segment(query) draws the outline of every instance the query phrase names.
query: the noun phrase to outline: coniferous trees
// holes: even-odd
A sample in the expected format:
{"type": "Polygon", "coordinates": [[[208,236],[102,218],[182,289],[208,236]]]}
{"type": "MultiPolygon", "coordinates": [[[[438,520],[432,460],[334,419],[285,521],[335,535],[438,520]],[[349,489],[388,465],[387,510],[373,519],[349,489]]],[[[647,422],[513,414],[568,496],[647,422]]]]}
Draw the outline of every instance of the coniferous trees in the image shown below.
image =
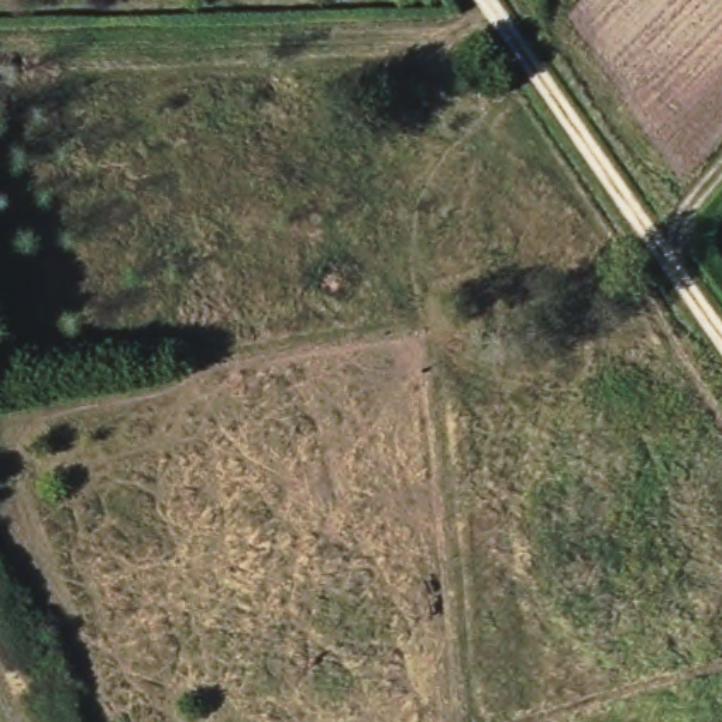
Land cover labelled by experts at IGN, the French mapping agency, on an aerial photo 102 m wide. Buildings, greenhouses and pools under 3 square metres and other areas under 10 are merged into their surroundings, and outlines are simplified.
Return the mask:
{"type": "Polygon", "coordinates": [[[502,338],[502,344],[516,341],[525,355],[533,355],[575,350],[589,338],[612,336],[615,324],[637,313],[646,313],[654,299],[646,288],[643,274],[643,237],[635,231],[629,237],[601,245],[598,257],[592,257],[589,262],[581,259],[581,265],[573,271],[550,265],[510,265],[468,279],[457,288],[457,316],[465,322],[479,319],[482,338],[502,338]]]}
{"type": "Polygon", "coordinates": [[[25,155],[23,149],[11,149],[11,169],[34,175],[37,164],[42,161],[37,155],[25,155]]]}

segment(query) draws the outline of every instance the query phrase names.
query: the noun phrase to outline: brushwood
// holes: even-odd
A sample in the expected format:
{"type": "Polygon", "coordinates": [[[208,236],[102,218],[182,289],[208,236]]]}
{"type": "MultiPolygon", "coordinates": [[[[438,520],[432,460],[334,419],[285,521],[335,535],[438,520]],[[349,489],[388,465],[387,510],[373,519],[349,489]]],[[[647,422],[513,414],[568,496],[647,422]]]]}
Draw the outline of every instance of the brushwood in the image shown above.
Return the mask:
{"type": "Polygon", "coordinates": [[[23,691],[23,699],[31,722],[79,722],[76,694],[82,683],[71,677],[48,618],[31,606],[31,595],[23,584],[8,578],[0,556],[0,660],[8,671],[25,677],[28,688],[23,691]]]}
{"type": "Polygon", "coordinates": [[[699,209],[699,220],[694,223],[688,243],[680,251],[688,276],[722,316],[722,189],[705,203],[705,209],[699,209]]]}
{"type": "Polygon", "coordinates": [[[181,697],[181,711],[186,716],[203,719],[223,705],[220,688],[195,688],[181,697]]]}
{"type": "Polygon", "coordinates": [[[155,62],[181,62],[203,56],[228,56],[226,45],[234,39],[234,31],[285,31],[324,23],[358,23],[361,17],[375,20],[378,14],[389,17],[392,25],[443,25],[451,14],[460,14],[454,0],[409,0],[392,3],[392,11],[0,20],[0,39],[8,34],[28,34],[39,39],[42,51],[54,51],[56,45],[76,42],[79,37],[90,34],[96,45],[87,51],[87,59],[118,59],[127,54],[155,62]]]}
{"type": "Polygon", "coordinates": [[[499,0],[510,20],[533,20],[536,11],[544,6],[544,0],[499,0]]]}
{"type": "Polygon", "coordinates": [[[164,341],[158,355],[147,367],[133,367],[127,361],[127,353],[118,350],[113,341],[96,344],[87,358],[68,355],[62,364],[51,364],[48,358],[42,358],[37,364],[25,364],[17,355],[20,347],[6,333],[6,324],[0,319],[0,415],[45,409],[54,403],[102,395],[155,389],[195,372],[186,361],[172,361],[175,341],[164,341]]]}
{"type": "Polygon", "coordinates": [[[37,494],[45,502],[62,494],[59,477],[51,471],[37,479],[37,494]]]}

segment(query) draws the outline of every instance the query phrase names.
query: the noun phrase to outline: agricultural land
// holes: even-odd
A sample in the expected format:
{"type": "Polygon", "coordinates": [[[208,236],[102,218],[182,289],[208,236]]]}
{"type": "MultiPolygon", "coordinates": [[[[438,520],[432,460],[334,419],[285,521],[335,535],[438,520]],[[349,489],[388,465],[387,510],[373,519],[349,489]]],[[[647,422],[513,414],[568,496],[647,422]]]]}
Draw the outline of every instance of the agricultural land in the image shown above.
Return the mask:
{"type": "Polygon", "coordinates": [[[598,56],[609,62],[609,71],[618,79],[626,107],[640,121],[643,133],[651,138],[663,161],[671,166],[674,178],[699,164],[722,138],[722,0],[544,0],[544,6],[544,11],[556,17],[558,45],[567,37],[578,34],[592,39],[598,56]]]}
{"type": "Polygon", "coordinates": [[[23,691],[28,688],[25,677],[8,671],[0,660],[0,722],[31,722],[23,699],[23,691]]]}

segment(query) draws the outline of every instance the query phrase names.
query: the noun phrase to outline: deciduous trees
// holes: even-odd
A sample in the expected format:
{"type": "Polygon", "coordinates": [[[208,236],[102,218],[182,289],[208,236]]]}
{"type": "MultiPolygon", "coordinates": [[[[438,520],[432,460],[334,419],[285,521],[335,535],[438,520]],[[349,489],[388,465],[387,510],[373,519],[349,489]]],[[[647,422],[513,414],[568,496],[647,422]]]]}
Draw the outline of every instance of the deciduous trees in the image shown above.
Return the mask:
{"type": "Polygon", "coordinates": [[[485,28],[465,37],[457,48],[448,51],[457,96],[510,93],[505,73],[505,51],[491,39],[485,28]]]}
{"type": "Polygon", "coordinates": [[[398,99],[389,82],[389,65],[384,59],[369,59],[364,62],[355,79],[344,79],[341,93],[333,99],[333,110],[324,121],[324,130],[338,133],[347,144],[381,147],[398,113],[398,99]]]}
{"type": "Polygon", "coordinates": [[[23,149],[25,155],[37,155],[42,161],[54,149],[48,144],[39,144],[37,138],[25,138],[23,133],[34,110],[28,99],[20,93],[0,113],[0,175],[11,169],[11,149],[23,149]]]}

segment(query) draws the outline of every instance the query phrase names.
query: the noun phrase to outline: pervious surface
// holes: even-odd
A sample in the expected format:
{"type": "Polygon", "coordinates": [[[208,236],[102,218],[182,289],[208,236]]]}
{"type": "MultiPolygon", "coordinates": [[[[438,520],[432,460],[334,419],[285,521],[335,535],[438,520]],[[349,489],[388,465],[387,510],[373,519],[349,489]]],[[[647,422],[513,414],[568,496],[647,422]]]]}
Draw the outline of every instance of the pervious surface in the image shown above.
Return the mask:
{"type": "Polygon", "coordinates": [[[683,668],[657,668],[651,674],[626,671],[620,677],[620,685],[612,688],[606,680],[609,668],[592,663],[581,671],[587,694],[564,691],[564,699],[539,699],[527,708],[510,711],[513,719],[533,716],[533,722],[589,722],[589,716],[609,714],[609,702],[632,699],[660,688],[671,691],[680,683],[688,683],[683,668]]]}
{"type": "Polygon", "coordinates": [[[620,172],[612,166],[606,152],[598,147],[575,107],[570,104],[570,99],[556,85],[556,79],[550,73],[542,73],[556,56],[556,45],[539,39],[539,28],[533,20],[510,20],[499,0],[474,0],[491,23],[485,28],[491,39],[505,51],[505,73],[510,93],[533,79],[533,87],[539,90],[556,121],[564,127],[575,149],[584,155],[584,161],[589,164],[589,169],[604,183],[604,189],[609,192],[609,197],[635,231],[643,237],[643,274],[646,288],[654,299],[663,302],[674,290],[680,290],[680,299],[688,305],[688,310],[722,355],[722,316],[688,276],[680,251],[688,243],[694,223],[699,220],[699,209],[705,209],[705,203],[722,189],[722,155],[683,197],[685,212],[668,214],[663,223],[651,226],[649,214],[620,178],[620,172]]]}
{"type": "Polygon", "coordinates": [[[463,671],[457,660],[454,629],[454,584],[443,530],[446,513],[440,494],[440,457],[432,417],[432,381],[423,372],[426,333],[409,330],[406,336],[386,338],[369,333],[361,341],[293,347],[288,330],[268,330],[257,333],[259,350],[254,355],[231,355],[220,364],[195,372],[155,389],[102,395],[54,403],[45,409],[0,415],[0,556],[8,578],[23,584],[31,595],[31,606],[48,618],[71,677],[82,683],[76,694],[79,722],[465,722],[463,671]],[[45,502],[37,494],[37,479],[51,471],[59,477],[62,494],[45,502]],[[186,716],[181,711],[181,697],[195,688],[220,688],[223,705],[203,719],[186,716]]]}

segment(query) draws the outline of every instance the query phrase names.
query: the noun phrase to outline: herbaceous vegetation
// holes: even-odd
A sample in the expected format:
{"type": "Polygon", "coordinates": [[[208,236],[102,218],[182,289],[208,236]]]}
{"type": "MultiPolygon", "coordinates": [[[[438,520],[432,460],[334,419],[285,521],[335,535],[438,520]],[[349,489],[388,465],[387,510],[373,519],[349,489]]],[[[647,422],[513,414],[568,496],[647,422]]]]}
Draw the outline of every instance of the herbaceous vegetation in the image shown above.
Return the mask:
{"type": "Polygon", "coordinates": [[[23,133],[25,138],[37,138],[39,144],[48,144],[54,149],[42,161],[37,164],[34,175],[11,169],[0,175],[0,319],[6,324],[6,333],[20,347],[17,355],[25,364],[37,364],[42,358],[48,358],[51,364],[62,364],[68,355],[87,358],[96,344],[113,341],[118,350],[127,353],[127,361],[133,367],[147,367],[158,355],[164,341],[175,341],[172,361],[186,361],[195,372],[220,364],[231,355],[254,355],[259,350],[257,333],[268,330],[288,330],[293,347],[361,341],[369,333],[386,338],[406,336],[409,330],[426,333],[423,372],[432,381],[432,417],[440,457],[440,494],[446,513],[443,530],[454,584],[454,629],[457,660],[463,671],[465,722],[533,722],[533,716],[513,719],[510,711],[527,708],[539,699],[564,699],[564,691],[587,694],[581,671],[592,663],[609,668],[606,680],[612,688],[620,685],[620,677],[626,671],[651,674],[657,668],[683,668],[688,683],[680,683],[671,691],[660,688],[632,699],[609,702],[609,714],[589,716],[589,722],[722,722],[722,355],[688,310],[688,305],[680,299],[680,290],[674,290],[663,302],[654,299],[646,313],[637,313],[615,324],[612,336],[589,338],[575,350],[533,355],[525,355],[516,341],[502,344],[502,338],[482,338],[479,319],[465,322],[457,316],[457,288],[468,279],[510,265],[550,265],[573,271],[581,265],[581,259],[589,262],[592,257],[598,257],[601,245],[629,237],[635,231],[609,197],[609,192],[604,189],[604,183],[589,169],[589,164],[584,161],[584,155],[575,149],[564,127],[556,121],[539,90],[533,87],[533,79],[510,93],[457,96],[448,51],[457,48],[465,37],[485,28],[491,23],[474,0],[454,0],[460,14],[451,14],[443,25],[392,25],[389,17],[378,14],[375,20],[361,17],[358,23],[324,23],[285,31],[234,31],[234,39],[226,45],[228,56],[203,56],[181,62],[155,62],[127,54],[118,59],[87,59],[87,51],[96,45],[90,34],[79,37],[76,42],[56,45],[54,51],[42,51],[39,39],[28,34],[8,34],[0,39],[0,113],[20,93],[28,99],[34,110],[23,133]],[[324,121],[333,110],[333,99],[341,93],[344,79],[355,79],[364,62],[369,59],[384,59],[389,65],[389,82],[398,99],[398,113],[381,147],[347,144],[338,133],[324,130],[324,121]]]}
{"type": "Polygon", "coordinates": [[[392,11],[392,3],[409,0],[0,0],[0,20],[392,11]]]}
{"type": "Polygon", "coordinates": [[[683,197],[722,155],[722,138],[699,164],[674,178],[671,166],[663,161],[651,138],[643,133],[640,121],[626,107],[618,79],[609,71],[609,62],[598,56],[592,39],[578,34],[567,37],[558,45],[556,17],[544,11],[544,6],[536,11],[533,20],[539,28],[539,39],[556,45],[556,56],[542,73],[550,73],[556,79],[556,85],[570,99],[570,104],[575,107],[598,147],[606,152],[612,166],[620,172],[620,178],[649,214],[651,226],[663,223],[668,214],[685,212],[683,197]]]}

